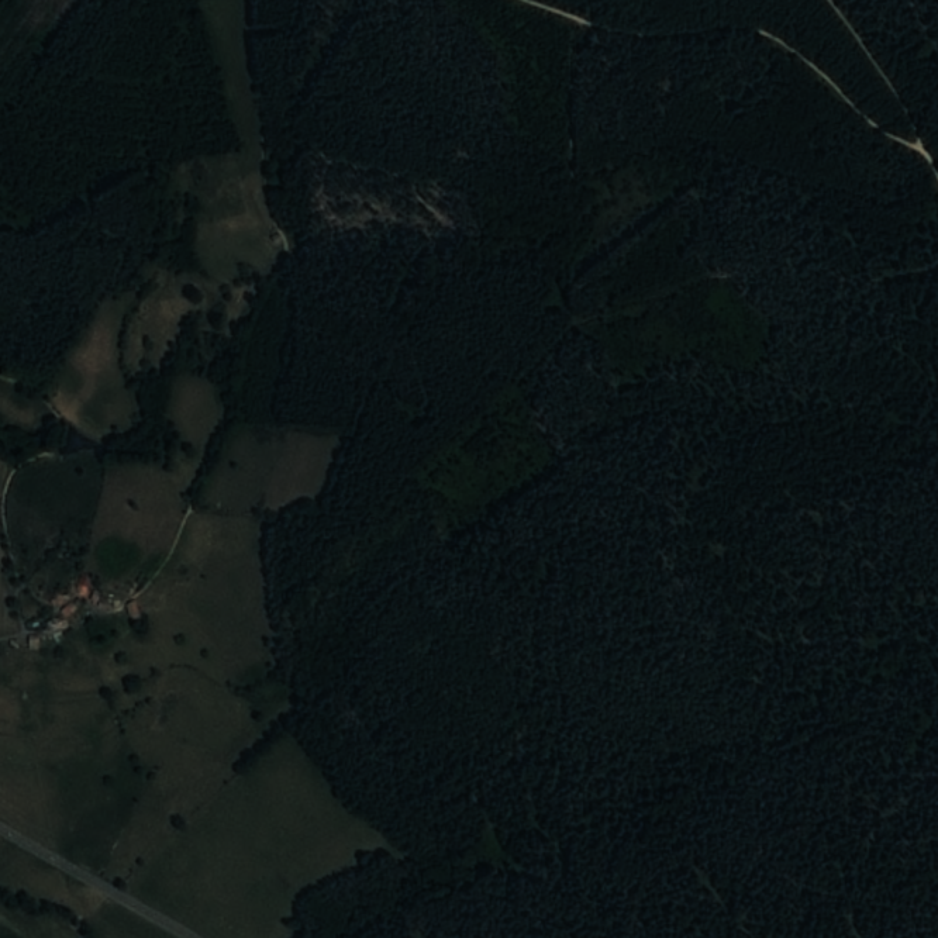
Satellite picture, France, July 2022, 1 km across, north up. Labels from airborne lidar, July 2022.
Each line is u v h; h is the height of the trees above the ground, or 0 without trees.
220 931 0
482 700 19
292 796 0
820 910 19
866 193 16
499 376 23
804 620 22
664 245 7
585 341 22
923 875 19
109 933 0
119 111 9
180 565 0
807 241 26
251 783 0
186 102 8
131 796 0
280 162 10
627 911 23
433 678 19
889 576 26
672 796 24
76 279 21
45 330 29
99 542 0
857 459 13
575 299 20
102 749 0
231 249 0
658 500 26
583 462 24
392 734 33
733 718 24
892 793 19
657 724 23
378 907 21
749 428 12
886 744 18
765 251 24
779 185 21
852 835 20
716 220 19
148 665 0
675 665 20
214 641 0
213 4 0
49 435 23
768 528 14
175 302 0
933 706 21
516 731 16
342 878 16
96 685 0
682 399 15
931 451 15
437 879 20
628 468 20
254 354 7
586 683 25
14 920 0
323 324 22
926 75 11
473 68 24
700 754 26
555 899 28
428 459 10
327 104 23
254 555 0
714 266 19
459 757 21
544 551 19
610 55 23
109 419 0
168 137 9
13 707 0
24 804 0
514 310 23
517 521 26
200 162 0
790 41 16
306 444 0
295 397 24
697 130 18
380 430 28
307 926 21
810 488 12
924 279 18
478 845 26
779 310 19
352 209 20
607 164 13
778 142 18
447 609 14
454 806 34
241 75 0
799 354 19
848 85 19
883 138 20
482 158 21
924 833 13
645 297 6
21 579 9
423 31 26
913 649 17
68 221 29
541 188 18
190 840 0
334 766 24
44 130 7
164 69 7
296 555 19
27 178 9
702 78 32
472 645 17
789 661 12
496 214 17
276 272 10
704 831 22
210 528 0
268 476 0
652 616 22
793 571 6
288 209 12
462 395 24
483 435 9
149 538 0
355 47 23
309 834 0
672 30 19
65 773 0
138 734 0
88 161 9
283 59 23
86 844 0
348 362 15
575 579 21
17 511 0
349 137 25
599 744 19
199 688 0
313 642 14
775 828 20
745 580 15
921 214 19
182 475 0
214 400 0
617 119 28
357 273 22
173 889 0
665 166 19
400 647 19
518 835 12
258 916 0
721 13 19
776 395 22
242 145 9
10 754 0
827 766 24
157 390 18
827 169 17
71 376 0
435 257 25
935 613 14
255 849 0
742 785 20
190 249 12
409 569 31
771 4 18
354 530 17
